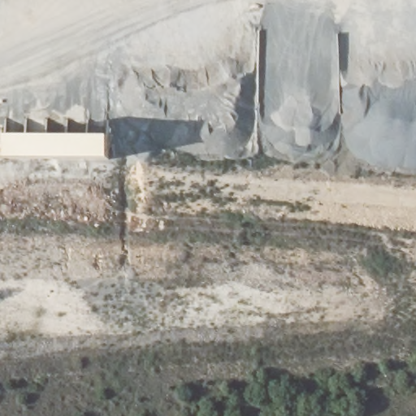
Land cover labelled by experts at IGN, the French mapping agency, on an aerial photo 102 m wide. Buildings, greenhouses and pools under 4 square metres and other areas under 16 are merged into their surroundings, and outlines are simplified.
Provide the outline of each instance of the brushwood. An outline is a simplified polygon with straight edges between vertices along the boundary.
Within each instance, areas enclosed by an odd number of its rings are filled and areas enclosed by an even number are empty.
[[[390,257],[383,244],[374,245],[367,253],[367,257],[359,260],[367,273],[375,281],[385,278],[388,273],[403,275],[403,262],[396,257]]]

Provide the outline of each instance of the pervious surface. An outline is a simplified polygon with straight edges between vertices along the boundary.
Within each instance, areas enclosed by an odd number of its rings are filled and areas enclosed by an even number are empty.
[[[291,278],[289,268],[284,268],[284,275],[276,275],[271,268],[257,263],[242,266],[244,275],[240,281],[229,281],[221,286],[164,289],[161,284],[156,284],[153,286],[153,292],[161,292],[161,297],[143,299],[141,302],[145,305],[146,317],[156,318],[156,322],[149,325],[158,330],[188,327],[190,323],[198,327],[210,325],[211,322],[216,325],[224,323],[229,327],[242,327],[265,322],[263,317],[250,317],[247,310],[263,307],[273,314],[283,314],[294,310],[291,301],[296,301],[301,307],[325,307],[327,322],[346,322],[348,318],[361,314],[362,309],[369,309],[369,314],[374,314],[377,320],[382,320],[385,312],[377,309],[375,305],[375,299],[379,296],[379,284],[375,281],[367,273],[362,278],[364,286],[361,288],[323,286],[322,292],[309,291],[302,281]]]
[[[102,184],[117,166],[115,158],[125,156],[128,171],[125,177],[127,200],[135,200],[136,203],[136,211],[127,210],[125,221],[128,224],[132,218],[138,218],[138,232],[146,229],[146,205],[153,195],[188,192],[190,185],[195,182],[203,185],[208,184],[210,180],[216,180],[223,197],[227,197],[229,193],[236,197],[232,203],[214,205],[210,200],[164,201],[164,211],[197,214],[201,210],[208,213],[229,210],[242,214],[257,214],[258,218],[262,219],[283,216],[291,219],[354,223],[372,227],[387,226],[392,229],[416,231],[416,0],[0,0],[0,135],[6,132],[102,133],[106,149],[102,156],[3,156],[0,153],[0,214],[3,218],[18,219],[24,219],[28,214],[32,214],[34,218],[54,218],[58,221],[71,216],[71,203],[78,203],[83,208],[89,208],[102,223],[106,206],[104,193],[88,193],[88,184]],[[184,153],[195,154],[205,161],[247,159],[263,149],[270,158],[289,161],[286,166],[270,166],[262,171],[245,171],[244,167],[240,166],[236,171],[227,174],[221,171],[208,172],[195,166],[164,169],[162,166],[148,166],[148,154],[151,158],[156,158],[161,149],[172,151],[174,148]],[[309,211],[292,213],[286,206],[253,206],[249,200],[255,197],[301,201],[310,208]]]
[[[115,322],[102,322],[83,301],[84,294],[96,291],[99,283],[117,283],[120,276],[123,276],[123,284],[130,284],[133,273],[140,273],[140,278],[143,279],[162,278],[166,273],[167,262],[184,257],[184,253],[169,249],[166,244],[151,247],[125,245],[127,262],[122,266],[119,265],[120,244],[104,242],[97,245],[97,240],[93,237],[81,237],[76,234],[0,234],[0,335],[8,336],[11,331],[24,330],[49,333],[50,336],[68,333],[88,335],[89,331],[102,335],[132,333],[133,323],[123,323],[123,327],[119,327]]]
[[[416,260],[416,239],[396,237],[396,240],[405,242],[403,252],[406,253],[409,262]]]

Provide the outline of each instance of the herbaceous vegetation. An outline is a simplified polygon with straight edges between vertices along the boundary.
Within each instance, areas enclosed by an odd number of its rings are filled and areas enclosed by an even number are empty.
[[[227,174],[236,171],[240,166],[244,167],[245,171],[262,171],[270,166],[286,166],[289,161],[270,158],[263,149],[247,159],[205,161],[195,154],[184,153],[174,148],[172,151],[161,149],[156,158],[151,158],[148,154],[148,166],[162,166],[164,169],[195,166],[208,172],[221,171]]]
[[[258,218],[257,214],[242,214],[229,210],[208,213],[201,210],[197,214],[164,211],[164,201],[210,200],[214,205],[232,203],[236,197],[229,193],[227,197],[223,197],[216,180],[210,180],[208,184],[203,185],[195,182],[190,185],[188,192],[153,195],[146,205],[146,229],[138,232],[138,218],[132,218],[128,224],[125,221],[127,210],[136,211],[136,203],[135,200],[127,200],[125,177],[128,171],[125,156],[115,158],[117,166],[102,184],[88,184],[88,193],[104,193],[106,206],[102,223],[89,208],[83,208],[78,203],[71,203],[71,216],[58,221],[54,218],[34,218],[32,214],[28,214],[24,219],[18,219],[3,218],[0,214],[0,234],[76,234],[81,237],[93,237],[97,240],[97,245],[104,242],[120,244],[119,265],[122,266],[127,262],[125,245],[151,247],[166,244],[169,249],[184,253],[184,257],[167,262],[166,273],[162,278],[143,279],[140,278],[140,273],[133,273],[130,284],[123,284],[123,276],[120,276],[117,283],[99,283],[96,291],[84,294],[83,301],[102,322],[115,322],[119,327],[123,327],[123,323],[133,323],[132,333],[102,335],[89,331],[88,335],[68,333],[50,336],[49,333],[24,330],[11,331],[8,336],[0,335],[0,416],[185,416],[185,401],[198,401],[200,398],[210,401],[213,396],[219,400],[221,396],[226,395],[229,380],[245,380],[245,375],[252,374],[257,364],[268,379],[279,380],[281,375],[288,377],[292,387],[296,387],[302,395],[312,395],[315,392],[317,382],[307,379],[307,375],[315,370],[333,367],[340,372],[346,372],[346,382],[353,388],[359,403],[357,416],[416,416],[416,393],[409,390],[406,375],[401,370],[388,370],[385,362],[393,359],[408,362],[411,372],[416,370],[416,260],[409,262],[406,253],[403,252],[405,242],[396,240],[396,237],[416,239],[416,231],[392,229],[387,226],[372,227],[354,223],[291,219],[283,216],[262,219]],[[296,301],[291,301],[294,310],[283,314],[273,314],[263,307],[247,310],[250,317],[263,317],[265,322],[242,327],[229,327],[224,323],[216,325],[211,322],[210,325],[198,327],[190,323],[188,327],[158,330],[149,325],[156,322],[156,318],[146,317],[145,305],[141,302],[143,299],[161,297],[161,292],[153,292],[153,286],[156,284],[161,284],[164,289],[221,286],[229,281],[240,281],[244,275],[242,266],[257,263],[271,268],[276,275],[284,275],[284,268],[289,268],[291,278],[302,281],[309,291],[322,292],[323,286],[361,288],[364,286],[362,278],[367,273],[359,260],[367,257],[367,253],[374,245],[383,244],[390,257],[396,257],[403,262],[403,275],[388,273],[385,278],[375,281],[379,284],[379,296],[375,299],[375,305],[377,309],[385,312],[382,320],[377,320],[374,314],[369,314],[369,309],[362,309],[361,314],[348,318],[346,322],[327,322],[325,307],[301,307]]]
[[[309,211],[310,208],[301,201],[255,197],[249,200],[253,206],[286,206],[292,213]]]

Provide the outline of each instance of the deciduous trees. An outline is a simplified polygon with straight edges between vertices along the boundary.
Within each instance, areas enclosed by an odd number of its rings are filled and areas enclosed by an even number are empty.
[[[416,370],[411,372],[408,362],[393,359],[385,362],[388,370],[401,370],[406,375],[409,390],[416,393]]]
[[[307,379],[317,382],[315,392],[312,395],[302,395],[296,387],[292,387],[288,377],[281,375],[279,380],[268,379],[257,364],[252,374],[245,375],[245,380],[229,380],[226,395],[221,396],[219,400],[213,396],[210,401],[200,398],[198,401],[185,401],[185,416],[357,416],[359,403],[353,388],[346,382],[346,372],[340,372],[333,367],[315,370],[307,375]]]

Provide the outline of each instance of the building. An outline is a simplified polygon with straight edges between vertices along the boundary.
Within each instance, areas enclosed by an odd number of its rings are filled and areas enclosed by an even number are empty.
[[[0,135],[0,153],[3,156],[102,156],[106,149],[102,133],[6,132]]]

